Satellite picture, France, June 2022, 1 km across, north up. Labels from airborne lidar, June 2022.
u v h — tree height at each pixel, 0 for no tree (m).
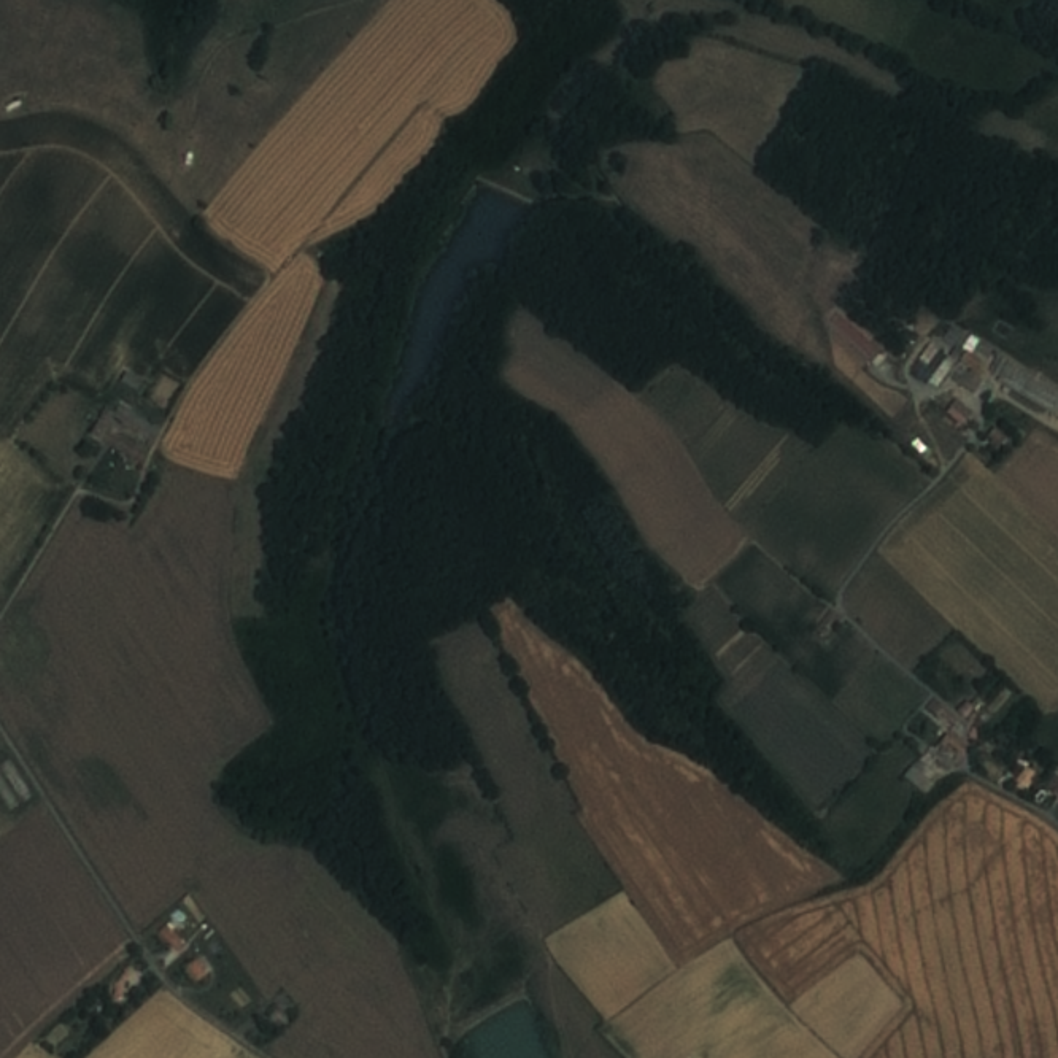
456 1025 0
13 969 0
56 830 0
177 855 0
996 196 22
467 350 26
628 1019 0
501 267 10
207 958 0
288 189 0
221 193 0
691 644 8
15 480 0
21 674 0
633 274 26
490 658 0
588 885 0
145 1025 0
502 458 26
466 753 15
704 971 0
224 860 0
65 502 0
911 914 0
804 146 25
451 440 26
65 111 0
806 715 0
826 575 0
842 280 0
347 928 0
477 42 0
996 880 0
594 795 0
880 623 0
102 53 0
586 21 9
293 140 0
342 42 0
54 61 0
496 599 17
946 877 0
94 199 0
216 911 0
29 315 0
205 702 0
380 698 23
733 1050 0
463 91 0
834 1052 0
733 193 0
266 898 0
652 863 0
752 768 8
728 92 0
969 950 0
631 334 16
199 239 0
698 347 21
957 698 0
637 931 0
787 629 0
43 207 0
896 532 0
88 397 0
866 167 16
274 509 21
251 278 0
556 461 15
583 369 0
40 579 0
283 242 0
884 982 0
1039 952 0
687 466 0
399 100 0
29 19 0
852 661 0
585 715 0
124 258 0
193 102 0
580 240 25
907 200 25
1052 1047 0
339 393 20
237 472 0
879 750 6
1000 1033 0
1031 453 0
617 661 18
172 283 0
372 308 16
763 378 20
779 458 0
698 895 0
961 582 0
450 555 16
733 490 0
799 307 0
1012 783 7
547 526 25
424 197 18
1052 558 0
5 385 0
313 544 23
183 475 0
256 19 0
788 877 0
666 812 0
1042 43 20
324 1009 0
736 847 0
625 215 21
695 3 0
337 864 24
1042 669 0
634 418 0
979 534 0
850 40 19
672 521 0
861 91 25
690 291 31
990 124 0
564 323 19
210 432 0
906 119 20
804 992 0
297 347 0
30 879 0
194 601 0
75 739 0
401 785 0
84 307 0
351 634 23
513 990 0
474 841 0
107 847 0
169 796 0
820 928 0
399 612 21
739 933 0
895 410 0
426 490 14
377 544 26
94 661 0
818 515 0
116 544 0
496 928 0
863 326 15
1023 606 0
